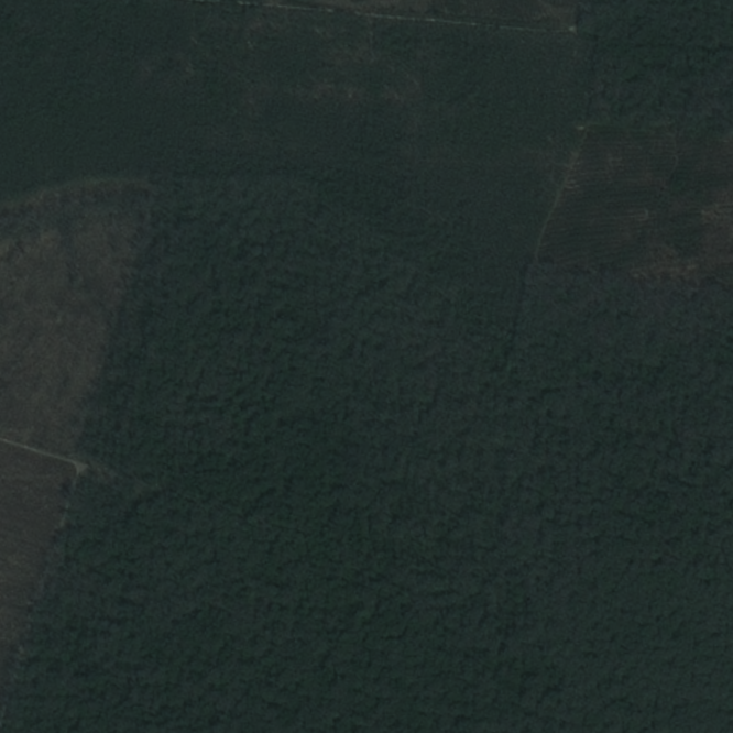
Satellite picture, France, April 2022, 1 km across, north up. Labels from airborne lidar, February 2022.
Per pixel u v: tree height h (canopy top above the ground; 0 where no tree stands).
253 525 20
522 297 17
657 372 9
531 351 26
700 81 30
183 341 19
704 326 27
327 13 14
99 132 16
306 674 24
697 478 23
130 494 20
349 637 25
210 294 27
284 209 25
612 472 23
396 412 20
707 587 27
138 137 14
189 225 20
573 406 28
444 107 15
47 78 17
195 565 23
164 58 21
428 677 22
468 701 16
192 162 15
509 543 29
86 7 16
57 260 0
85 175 12
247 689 25
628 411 28
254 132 16
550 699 24
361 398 29
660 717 28
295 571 26
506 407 26
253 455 19
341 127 15
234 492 17
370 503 25
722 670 25
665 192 12
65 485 0
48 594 22
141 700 25
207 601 25
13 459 0
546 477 19
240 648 27
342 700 27
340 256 25
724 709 27
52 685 25
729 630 24
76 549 22
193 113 18
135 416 18
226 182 17
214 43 19
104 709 19
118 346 24
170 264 26
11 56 18
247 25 23
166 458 17
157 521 24
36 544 0
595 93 17
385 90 17
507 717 26
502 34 17
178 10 17
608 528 20
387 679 24
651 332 26
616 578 23
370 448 24
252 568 24
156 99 16
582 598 23
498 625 23
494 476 24
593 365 27
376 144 17
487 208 17
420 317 25
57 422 0
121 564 24
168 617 21
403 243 15
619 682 22
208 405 16
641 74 16
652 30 24
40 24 20
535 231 13
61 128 17
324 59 17
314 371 24
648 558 30
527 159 17
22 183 14
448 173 16
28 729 10
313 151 16
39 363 0
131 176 14
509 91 18
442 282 20
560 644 23
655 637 25
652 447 25
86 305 0
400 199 16
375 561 20
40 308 0
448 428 23
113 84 18
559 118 19
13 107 17
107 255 0
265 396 19
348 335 21
